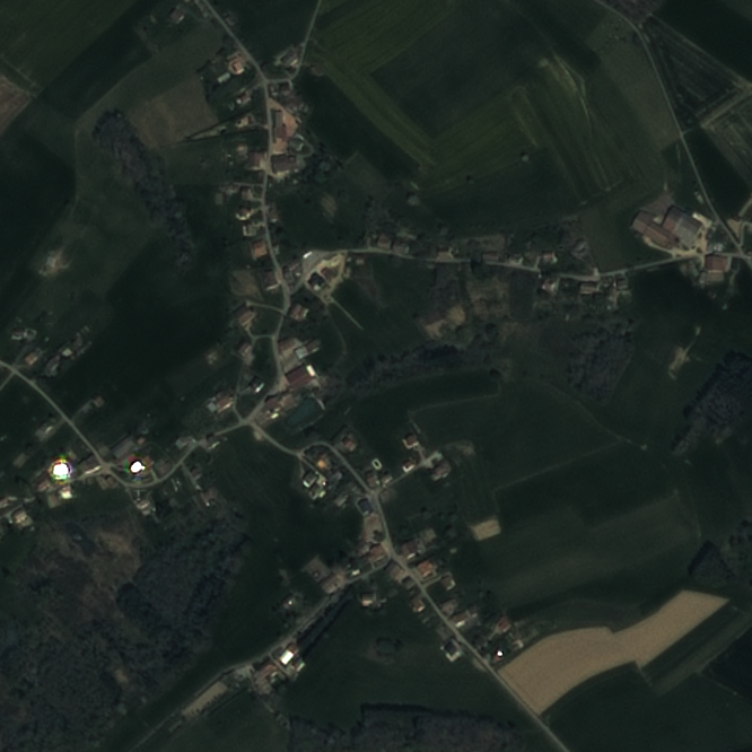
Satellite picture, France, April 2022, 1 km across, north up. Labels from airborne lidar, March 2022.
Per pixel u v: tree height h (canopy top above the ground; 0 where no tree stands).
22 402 0
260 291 0
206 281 0
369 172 0
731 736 0
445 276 19
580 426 0
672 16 0
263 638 0
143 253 0
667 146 0
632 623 0
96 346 0
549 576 0
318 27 0
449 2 0
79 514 0
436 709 0
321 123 0
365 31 0
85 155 0
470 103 0
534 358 0
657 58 0
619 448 0
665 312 0
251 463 0
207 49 0
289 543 0
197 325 0
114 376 0
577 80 0
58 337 0
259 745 0
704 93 0
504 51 0
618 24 0
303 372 0
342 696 0
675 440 0
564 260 0
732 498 0
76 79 0
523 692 0
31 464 0
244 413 0
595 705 0
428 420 0
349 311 0
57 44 0
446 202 0
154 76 0
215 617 27
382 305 0
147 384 0
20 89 0
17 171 0
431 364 23
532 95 0
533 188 0
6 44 0
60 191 0
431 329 0
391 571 0
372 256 0
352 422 0
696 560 0
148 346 0
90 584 0
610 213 0
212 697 0
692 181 0
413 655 0
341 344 0
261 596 0
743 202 0
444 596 0
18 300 0
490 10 0
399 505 0
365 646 0
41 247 0
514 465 0
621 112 0
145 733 0
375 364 0
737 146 0
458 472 0
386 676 0
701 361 0
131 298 0
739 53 0
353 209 0
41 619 0
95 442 0
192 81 0
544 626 0
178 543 15
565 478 0
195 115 0
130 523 0
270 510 0
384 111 0
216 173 0
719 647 0
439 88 0
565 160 0
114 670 24
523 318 0
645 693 0
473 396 0
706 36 0
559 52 0
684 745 0
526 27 0
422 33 0
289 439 0
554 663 0
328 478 9
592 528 0
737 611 0
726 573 25
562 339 0
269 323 0
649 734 0
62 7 0
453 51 0
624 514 0
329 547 0
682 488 0
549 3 0
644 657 0
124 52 0
